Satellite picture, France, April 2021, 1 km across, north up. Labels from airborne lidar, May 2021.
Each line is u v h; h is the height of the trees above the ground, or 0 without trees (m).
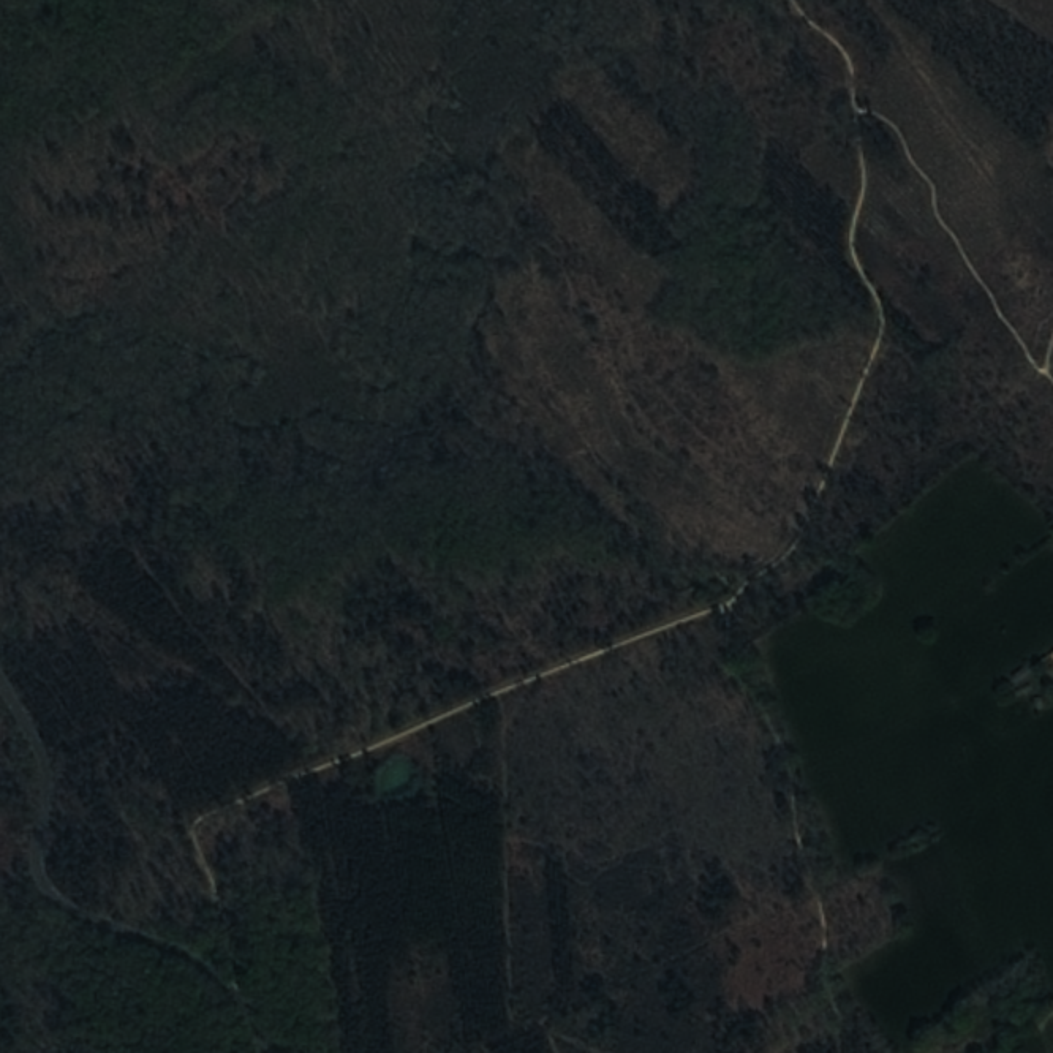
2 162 17
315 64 14
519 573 24
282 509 19
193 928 14
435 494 17
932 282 18
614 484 17
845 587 20
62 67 20
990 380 10
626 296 0
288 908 16
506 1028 12
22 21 14
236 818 17
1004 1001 20
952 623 0
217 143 13
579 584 8
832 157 0
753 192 22
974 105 0
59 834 12
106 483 21
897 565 0
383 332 19
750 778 0
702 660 25
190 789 15
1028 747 0
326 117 21
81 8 21
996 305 0
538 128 10
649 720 0
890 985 0
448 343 21
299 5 14
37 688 13
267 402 13
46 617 10
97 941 16
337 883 17
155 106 14
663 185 0
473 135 17
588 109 0
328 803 16
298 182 17
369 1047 13
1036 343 0
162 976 21
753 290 12
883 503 20
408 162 19
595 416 0
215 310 14
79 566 21
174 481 20
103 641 12
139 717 15
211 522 12
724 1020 14
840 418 0
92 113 19
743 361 14
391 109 18
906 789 0
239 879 11
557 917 13
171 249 16
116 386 22
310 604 12
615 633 12
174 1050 19
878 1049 17
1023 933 0
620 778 0
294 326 10
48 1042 14
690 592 10
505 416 16
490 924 13
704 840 0
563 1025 9
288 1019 19
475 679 14
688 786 0
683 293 17
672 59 14
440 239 29
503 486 20
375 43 12
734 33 10
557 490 15
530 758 0
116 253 15
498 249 18
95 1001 21
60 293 16
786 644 0
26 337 21
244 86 20
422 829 12
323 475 16
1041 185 0
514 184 17
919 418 12
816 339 17
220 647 14
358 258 17
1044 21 0
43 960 20
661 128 9
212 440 14
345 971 14
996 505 0
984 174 0
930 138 0
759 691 14
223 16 18
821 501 20
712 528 0
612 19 19
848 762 0
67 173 11
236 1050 13
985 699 0
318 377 14
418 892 16
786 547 0
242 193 9
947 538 0
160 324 18
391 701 13
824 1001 18
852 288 12
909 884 0
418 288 23
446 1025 8
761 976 13
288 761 18
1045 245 0
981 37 17
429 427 22
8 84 21
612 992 12
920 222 0
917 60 0
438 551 10
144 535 17
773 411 0
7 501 18
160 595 13
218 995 22
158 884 13
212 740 17
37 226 12
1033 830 0
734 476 6
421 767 9
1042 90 17
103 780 8
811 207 10
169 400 19
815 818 12
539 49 10
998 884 0
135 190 21
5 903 18
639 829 0
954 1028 16
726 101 18
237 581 19
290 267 17
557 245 14
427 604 7
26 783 21
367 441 16
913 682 0
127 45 19
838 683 0
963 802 0
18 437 21
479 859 12
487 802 13
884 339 14
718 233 19
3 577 22
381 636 16
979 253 0
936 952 0
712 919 12
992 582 8
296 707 19
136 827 13
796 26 13
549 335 0
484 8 14
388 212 18
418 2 13
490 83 13
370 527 16
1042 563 0
